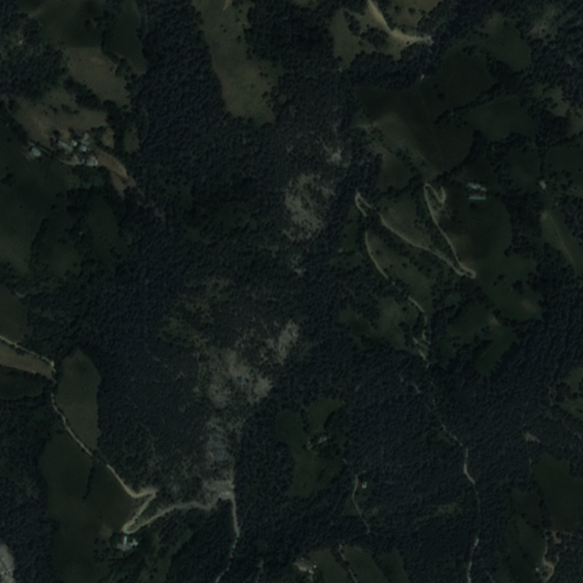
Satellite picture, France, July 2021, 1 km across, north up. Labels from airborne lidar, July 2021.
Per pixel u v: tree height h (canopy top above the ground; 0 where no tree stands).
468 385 17
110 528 0
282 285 14
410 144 0
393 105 0
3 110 13
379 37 14
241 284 13
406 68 16
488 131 0
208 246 10
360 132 8
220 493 0
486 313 0
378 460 11
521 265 0
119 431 12
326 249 12
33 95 15
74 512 0
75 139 10
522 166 0
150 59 18
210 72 9
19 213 0
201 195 13
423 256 7
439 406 14
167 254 18
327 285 17
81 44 0
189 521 12
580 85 20
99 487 0
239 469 11
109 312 22
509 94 9
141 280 15
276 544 14
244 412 8
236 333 12
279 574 19
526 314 0
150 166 9
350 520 11
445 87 0
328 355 17
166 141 17
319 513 11
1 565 0
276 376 12
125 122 7
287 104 16
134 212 21
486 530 14
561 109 0
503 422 12
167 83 18
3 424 23
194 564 17
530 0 14
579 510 0
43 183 0
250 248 11
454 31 10
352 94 9
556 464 0
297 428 0
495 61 11
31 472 10
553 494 0
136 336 14
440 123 11
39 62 13
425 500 13
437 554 9
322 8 17
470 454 7
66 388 0
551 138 21
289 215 9
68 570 0
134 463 11
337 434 6
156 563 8
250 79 0
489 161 11
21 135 11
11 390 0
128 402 8
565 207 12
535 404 10
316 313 17
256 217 13
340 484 14
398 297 11
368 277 12
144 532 8
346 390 13
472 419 17
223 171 16
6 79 12
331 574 0
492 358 0
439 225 7
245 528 14
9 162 0
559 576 10
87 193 17
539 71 16
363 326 0
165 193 8
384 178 0
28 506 15
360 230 9
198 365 9
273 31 26
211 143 15
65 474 0
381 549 12
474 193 7
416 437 18
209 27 0
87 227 15
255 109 0
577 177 0
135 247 10
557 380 15
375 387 15
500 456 8
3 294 0
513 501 7
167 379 12
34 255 8
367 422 13
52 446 0
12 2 15
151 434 7
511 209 20
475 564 10
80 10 0
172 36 10
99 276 19
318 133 14
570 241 0
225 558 17
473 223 0
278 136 10
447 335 8
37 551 12
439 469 14
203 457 6
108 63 0
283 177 11
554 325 21
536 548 0
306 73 15
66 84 10
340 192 8
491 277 0
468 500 6
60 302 10
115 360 15
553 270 21
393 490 8
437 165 0
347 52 0
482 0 16
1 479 14
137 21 0
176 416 11
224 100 9
